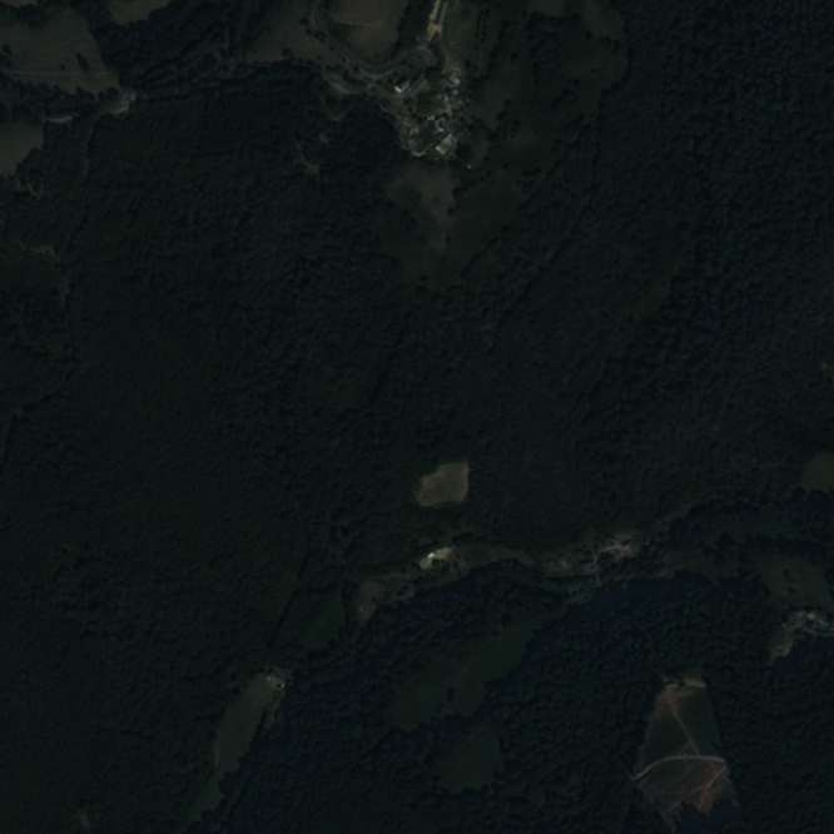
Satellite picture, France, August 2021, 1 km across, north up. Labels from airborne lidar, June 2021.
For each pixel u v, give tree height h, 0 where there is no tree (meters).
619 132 20
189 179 26
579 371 18
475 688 0
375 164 17
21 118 13
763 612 20
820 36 20
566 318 21
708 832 35
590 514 14
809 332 19
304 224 23
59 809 30
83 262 24
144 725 24
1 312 8
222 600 26
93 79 0
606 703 20
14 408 20
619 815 18
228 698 25
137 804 22
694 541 25
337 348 26
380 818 26
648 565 8
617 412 22
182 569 29
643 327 15
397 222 20
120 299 27
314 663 20
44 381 18
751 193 16
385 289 22
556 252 5
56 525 32
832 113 20
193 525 24
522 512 18
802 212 20
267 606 22
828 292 12
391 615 25
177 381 20
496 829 19
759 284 19
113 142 23
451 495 0
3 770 22
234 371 22
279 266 19
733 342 20
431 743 17
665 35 29
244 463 25
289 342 23
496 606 19
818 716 24
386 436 16
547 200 12
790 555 15
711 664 12
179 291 28
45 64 0
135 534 18
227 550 24
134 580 17
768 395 24
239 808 13
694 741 0
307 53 0
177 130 19
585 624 26
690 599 18
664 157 21
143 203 17
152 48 27
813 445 29
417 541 12
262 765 25
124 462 24
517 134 8
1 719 20
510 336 25
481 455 21
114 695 21
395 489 18
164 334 26
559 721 19
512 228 7
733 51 22
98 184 25
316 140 17
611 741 29
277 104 28
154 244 8
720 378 16
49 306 11
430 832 24
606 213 23
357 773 28
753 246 17
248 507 24
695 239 23
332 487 27
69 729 24
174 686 22
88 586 12
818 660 22
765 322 16
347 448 26
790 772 25
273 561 21
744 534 0
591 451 29
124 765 21
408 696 0
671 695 0
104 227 16
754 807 24
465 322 16
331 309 22
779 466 19
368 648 31
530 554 15
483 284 15
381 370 7
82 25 0
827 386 23
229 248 27
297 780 26
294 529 26
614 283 17
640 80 21
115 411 21
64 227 17
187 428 26
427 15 19
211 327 26
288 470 25
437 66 7
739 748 24
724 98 20
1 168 0
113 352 24
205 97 20
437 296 8
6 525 29
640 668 24
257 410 27
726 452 21
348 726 24
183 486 21
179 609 26
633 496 16
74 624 27
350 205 21
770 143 19
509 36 17
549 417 23
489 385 14
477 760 0
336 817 23
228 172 20
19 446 25
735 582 6
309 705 16
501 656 0
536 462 14
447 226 0
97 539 18
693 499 13
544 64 21
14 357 19
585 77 0
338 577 18
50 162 13
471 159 10
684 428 15
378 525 18
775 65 12
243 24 17
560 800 9
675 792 0
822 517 30
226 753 0
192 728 20
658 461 10
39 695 21
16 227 18
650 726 35
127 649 25
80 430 26
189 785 20
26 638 28
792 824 21
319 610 22
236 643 21
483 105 0
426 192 0
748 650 28
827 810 24
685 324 18
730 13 17
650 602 21
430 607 28
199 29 16
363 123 19
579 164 25
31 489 30
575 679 16
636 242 24
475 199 0
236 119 29
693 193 31
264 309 25
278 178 16
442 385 20
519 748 23
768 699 25
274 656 23
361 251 15
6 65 12
